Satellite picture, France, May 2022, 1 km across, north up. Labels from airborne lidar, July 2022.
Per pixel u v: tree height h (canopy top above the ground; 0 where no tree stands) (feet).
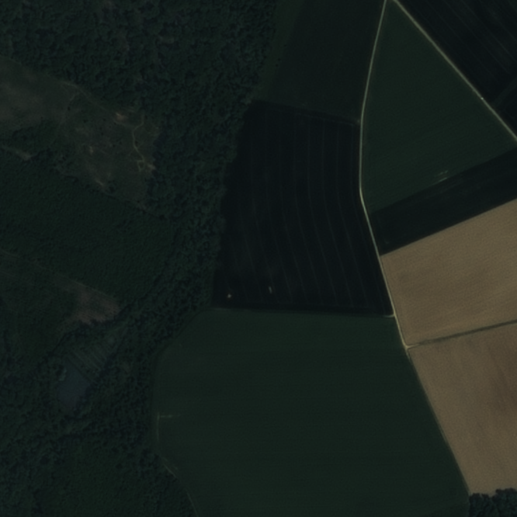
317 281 0
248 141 0
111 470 32
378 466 0
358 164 0
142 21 0
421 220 0
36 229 48
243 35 79
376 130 0
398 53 0
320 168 0
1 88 0
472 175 0
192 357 0
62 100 0
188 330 0
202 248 19
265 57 52
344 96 0
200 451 0
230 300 0
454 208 0
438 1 0
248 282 0
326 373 0
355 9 0
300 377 0
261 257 0
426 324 0
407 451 0
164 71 91
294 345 0
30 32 94
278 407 0
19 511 104
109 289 41
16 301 26
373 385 0
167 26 80
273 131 0
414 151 0
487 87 0
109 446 35
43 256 38
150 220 45
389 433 0
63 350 27
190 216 89
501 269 0
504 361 0
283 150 0
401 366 0
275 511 0
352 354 0
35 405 30
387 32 0
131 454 29
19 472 83
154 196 87
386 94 0
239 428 0
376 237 0
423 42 0
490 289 0
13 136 23
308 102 0
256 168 0
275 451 0
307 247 0
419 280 0
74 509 32
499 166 0
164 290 83
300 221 0
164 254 50
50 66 77
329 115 0
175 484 54
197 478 0
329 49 0
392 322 0
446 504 0
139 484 35
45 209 43
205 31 104
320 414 0
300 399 0
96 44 0
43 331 25
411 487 0
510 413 0
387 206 0
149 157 0
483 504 73
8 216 44
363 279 0
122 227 62
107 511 31
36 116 0
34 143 31
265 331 0
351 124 0
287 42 0
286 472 0
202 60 106
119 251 35
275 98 0
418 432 0
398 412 0
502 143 0
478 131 0
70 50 83
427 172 0
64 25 100
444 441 0
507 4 0
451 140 0
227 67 81
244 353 0
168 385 0
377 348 0
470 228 0
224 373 0
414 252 0
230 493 0
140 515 40
